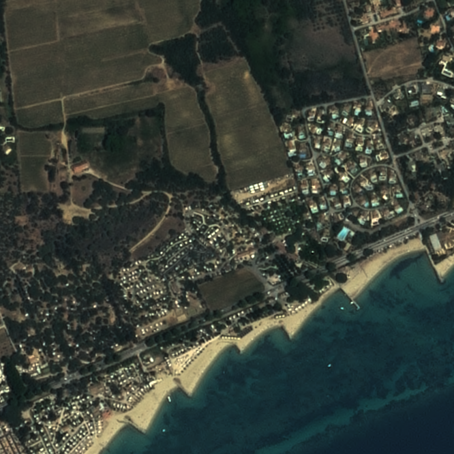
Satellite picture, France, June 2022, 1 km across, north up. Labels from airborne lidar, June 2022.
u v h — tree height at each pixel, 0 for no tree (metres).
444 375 0
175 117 0
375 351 0
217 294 0
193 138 0
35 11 0
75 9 0
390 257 0
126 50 0
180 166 0
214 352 0
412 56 0
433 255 8
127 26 0
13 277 10
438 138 13
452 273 0
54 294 11
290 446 0
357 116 6
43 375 0
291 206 8
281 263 8
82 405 7
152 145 0
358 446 0
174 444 0
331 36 0
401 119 16
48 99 0
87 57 0
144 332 0
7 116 0
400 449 0
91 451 0
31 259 8
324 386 0
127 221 8
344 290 0
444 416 0
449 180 7
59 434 7
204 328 10
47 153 0
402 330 0
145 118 0
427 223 0
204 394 0
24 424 17
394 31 0
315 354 0
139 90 0
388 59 0
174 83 0
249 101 0
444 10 11
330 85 6
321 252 11
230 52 6
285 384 0
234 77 0
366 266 0
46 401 13
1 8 18
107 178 0
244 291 0
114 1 0
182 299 11
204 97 7
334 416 0
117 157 0
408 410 0
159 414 0
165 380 0
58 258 6
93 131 0
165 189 10
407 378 0
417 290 0
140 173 10
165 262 10
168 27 0
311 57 0
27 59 0
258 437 0
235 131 0
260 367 0
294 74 7
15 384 29
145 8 0
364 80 8
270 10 7
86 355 12
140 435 0
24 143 0
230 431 0
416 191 10
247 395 0
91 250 13
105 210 11
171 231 7
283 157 0
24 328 14
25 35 0
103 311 10
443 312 0
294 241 14
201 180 11
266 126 0
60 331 12
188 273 8
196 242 7
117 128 6
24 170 0
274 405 0
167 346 8
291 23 0
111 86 0
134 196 12
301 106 12
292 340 0
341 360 0
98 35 0
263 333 0
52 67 0
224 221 7
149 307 9
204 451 0
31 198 10
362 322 0
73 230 11
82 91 0
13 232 7
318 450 0
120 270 12
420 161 11
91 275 7
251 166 0
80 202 0
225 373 0
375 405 0
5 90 0
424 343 0
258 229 9
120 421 0
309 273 19
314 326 0
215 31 6
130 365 10
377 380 0
